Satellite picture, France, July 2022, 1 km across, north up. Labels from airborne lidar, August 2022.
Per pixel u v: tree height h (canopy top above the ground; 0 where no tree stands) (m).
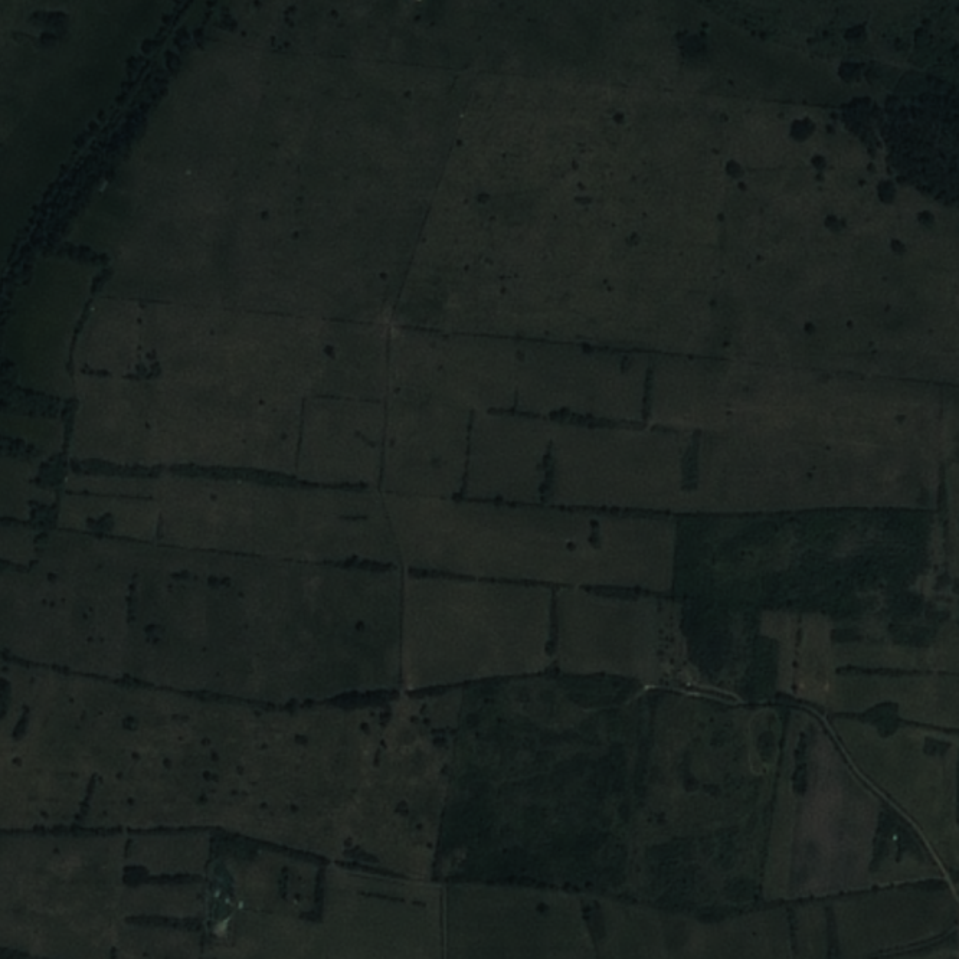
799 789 5
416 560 0
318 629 0
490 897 0
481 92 0
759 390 0
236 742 0
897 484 0
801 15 0
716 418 0
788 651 0
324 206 0
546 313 0
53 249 23
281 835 0
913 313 0
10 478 0
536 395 0
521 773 0
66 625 0
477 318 0
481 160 0
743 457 0
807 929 0
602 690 0
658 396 0
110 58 0
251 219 0
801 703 6
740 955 0
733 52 0
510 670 0
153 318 0
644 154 0
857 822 0
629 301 0
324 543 0
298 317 0
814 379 0
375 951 0
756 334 0
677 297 0
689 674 0
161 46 10
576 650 0
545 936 0
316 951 0
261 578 0
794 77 0
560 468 0
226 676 0
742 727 0
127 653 0
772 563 0
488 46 0
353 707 10
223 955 0
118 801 0
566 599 0
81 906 0
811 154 0
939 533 0
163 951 0
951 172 14
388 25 0
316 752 0
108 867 0
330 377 0
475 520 0
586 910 7
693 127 0
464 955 0
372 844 0
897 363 0
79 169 11
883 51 0
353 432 0
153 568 0
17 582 0
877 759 0
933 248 0
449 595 0
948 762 0
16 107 0
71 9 0
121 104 12
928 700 0
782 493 0
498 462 0
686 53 6
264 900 0
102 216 0
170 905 0
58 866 0
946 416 0
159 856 0
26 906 0
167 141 0
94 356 0
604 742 0
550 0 0
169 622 0
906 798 0
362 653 0
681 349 0
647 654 0
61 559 0
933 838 0
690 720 0
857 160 0
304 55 0
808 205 0
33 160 0
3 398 7
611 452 0
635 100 0
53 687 0
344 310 0
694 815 0
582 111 0
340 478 0
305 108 0
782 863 0
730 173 8
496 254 0
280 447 0
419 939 0
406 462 0
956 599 0
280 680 0
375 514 0
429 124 0
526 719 0
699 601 6
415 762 0
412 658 0
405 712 0
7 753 0
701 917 6
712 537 0
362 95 0
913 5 0
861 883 0
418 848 0
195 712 0
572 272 0
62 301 0
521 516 0
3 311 12
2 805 0
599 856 0
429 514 0
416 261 0
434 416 0
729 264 0
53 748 0
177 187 0
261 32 0
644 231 0
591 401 0
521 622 0
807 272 0
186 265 0
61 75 0
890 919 0
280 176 0
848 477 0
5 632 0
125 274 0
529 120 0
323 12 0
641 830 0
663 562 0
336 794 0
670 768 0
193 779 0
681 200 0
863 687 0
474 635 0
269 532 0
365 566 7
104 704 0
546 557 0
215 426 0
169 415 0
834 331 0
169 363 0
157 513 0
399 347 0
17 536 0
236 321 0
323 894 6
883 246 0
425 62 0
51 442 0
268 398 0
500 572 0
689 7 0
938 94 10
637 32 0
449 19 0
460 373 0
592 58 0
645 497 0
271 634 0
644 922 0
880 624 0
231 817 0
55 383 0
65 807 0
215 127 0
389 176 0
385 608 0
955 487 0
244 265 0
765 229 0
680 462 0
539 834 0
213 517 0
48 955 0
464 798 0
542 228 0
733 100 0
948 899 0
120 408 0
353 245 0
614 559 0
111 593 0
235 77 0
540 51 0
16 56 0
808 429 0
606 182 0
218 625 0
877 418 0
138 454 0
